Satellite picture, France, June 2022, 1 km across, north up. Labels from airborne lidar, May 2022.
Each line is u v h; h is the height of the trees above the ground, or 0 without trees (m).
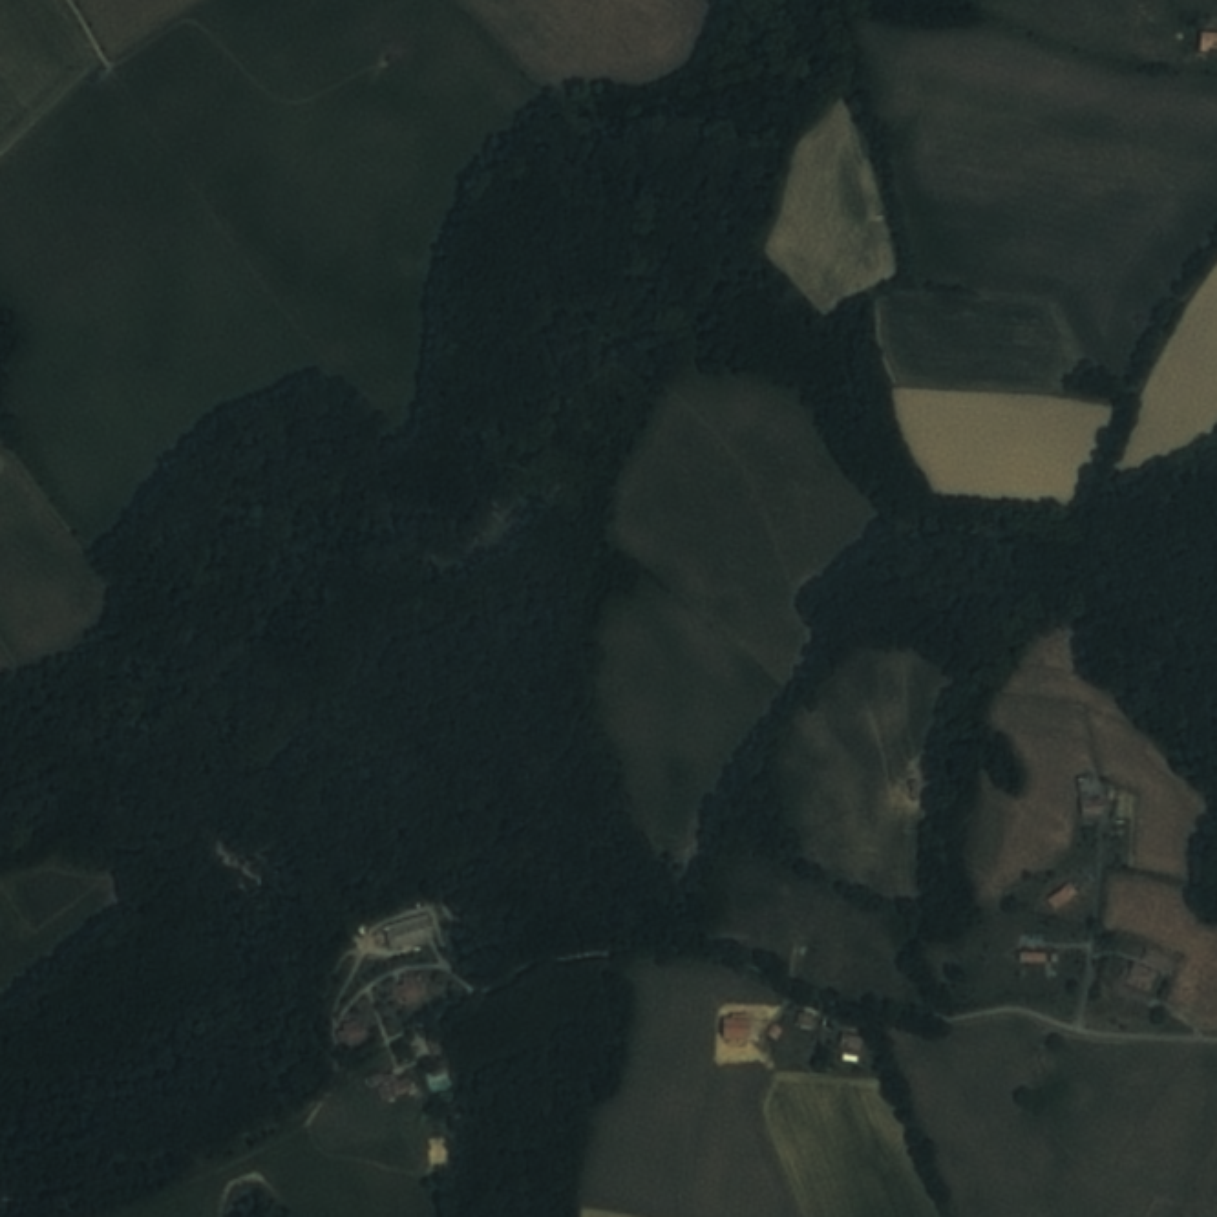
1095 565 22
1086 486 16
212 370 0
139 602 17
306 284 0
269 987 27
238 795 15
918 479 21
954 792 19
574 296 23
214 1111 22
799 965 0
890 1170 0
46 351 0
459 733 19
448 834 24
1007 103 0
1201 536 23
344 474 23
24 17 0
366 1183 0
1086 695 0
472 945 21
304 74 0
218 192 0
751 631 0
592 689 14
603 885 14
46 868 0
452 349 23
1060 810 0
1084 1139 0
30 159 0
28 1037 23
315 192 0
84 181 0
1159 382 0
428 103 0
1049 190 0
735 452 0
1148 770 0
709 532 0
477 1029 12
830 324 10
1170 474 22
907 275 12
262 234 0
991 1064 0
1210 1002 0
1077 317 0
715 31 15
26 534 0
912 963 20
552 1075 23
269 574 20
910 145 0
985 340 0
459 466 20
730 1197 0
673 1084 0
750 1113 0
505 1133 25
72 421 0
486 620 10
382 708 12
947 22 10
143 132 0
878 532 18
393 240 0
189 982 21
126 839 22
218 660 20
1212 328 0
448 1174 20
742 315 11
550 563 19
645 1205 0
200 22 0
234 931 22
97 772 21
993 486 0
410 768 22
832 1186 0
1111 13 0
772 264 11
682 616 0
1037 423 0
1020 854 0
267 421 21
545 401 30
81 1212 15
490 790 17
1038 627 22
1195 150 0
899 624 26
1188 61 0
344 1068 16
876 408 23
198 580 21
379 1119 0
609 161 20
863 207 0
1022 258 0
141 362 0
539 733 22
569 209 22
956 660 26
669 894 24
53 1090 23
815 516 0
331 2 0
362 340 0
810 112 21
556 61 0
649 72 0
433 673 23
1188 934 0
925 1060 0
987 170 0
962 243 0
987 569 26
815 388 9
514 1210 26
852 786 0
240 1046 26
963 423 0
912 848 0
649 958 8
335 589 26
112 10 0
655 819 0
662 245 22
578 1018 12
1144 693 31
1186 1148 0
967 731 17
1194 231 0
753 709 0
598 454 6
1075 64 0
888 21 14
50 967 18
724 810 19
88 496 0
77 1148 19
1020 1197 0
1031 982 0
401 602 22
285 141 0
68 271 0
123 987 21
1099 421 0
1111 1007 0
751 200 21
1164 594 19
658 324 27
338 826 25
